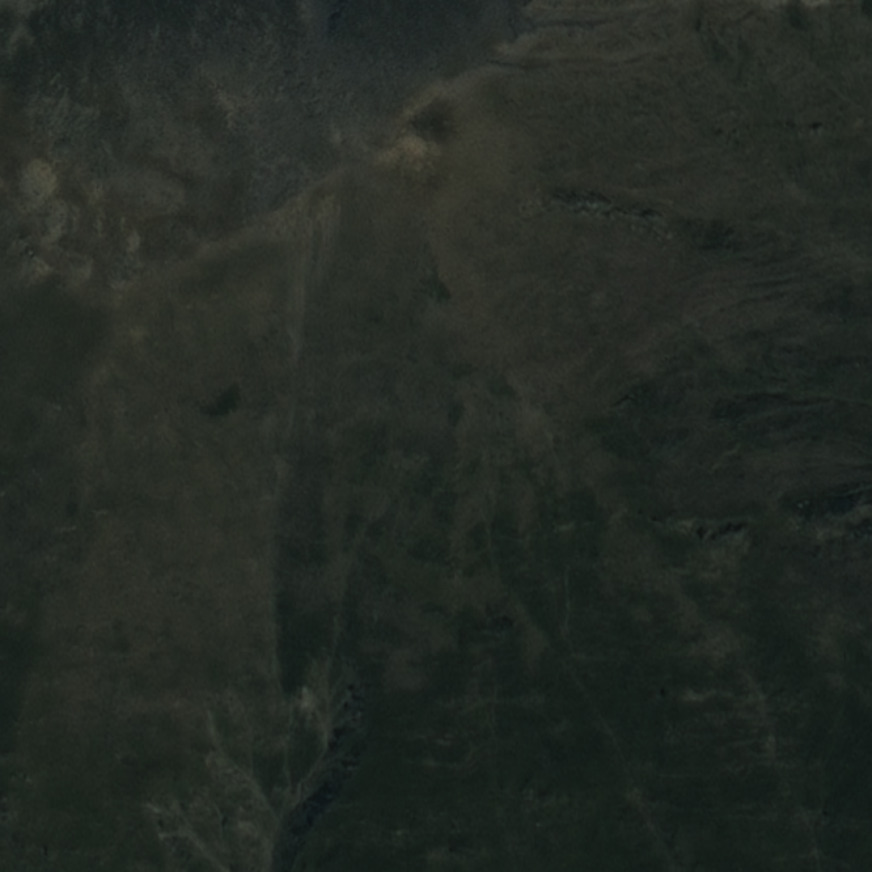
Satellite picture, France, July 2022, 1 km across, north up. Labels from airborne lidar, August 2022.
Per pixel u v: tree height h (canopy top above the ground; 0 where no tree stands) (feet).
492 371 0
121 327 0
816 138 0
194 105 0
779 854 0
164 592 0
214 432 0
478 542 0
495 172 0
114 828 0
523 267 0
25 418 0
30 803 0
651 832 0
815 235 0
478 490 0
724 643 0
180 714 0
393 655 0
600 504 0
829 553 0
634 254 0
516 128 0
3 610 23
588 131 0
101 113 0
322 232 0
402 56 0
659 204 0
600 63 0
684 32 0
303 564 0
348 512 0
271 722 0
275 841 0
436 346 0
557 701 0
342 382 0
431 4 0
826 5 0
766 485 0
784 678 0
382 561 0
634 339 0
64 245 0
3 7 0
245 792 0
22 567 0
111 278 0
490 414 0
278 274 0
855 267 0
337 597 0
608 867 0
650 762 0
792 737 0
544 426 0
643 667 0
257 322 0
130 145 0
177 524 0
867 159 0
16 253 0
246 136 0
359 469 0
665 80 0
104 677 0
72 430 0
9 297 0
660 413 0
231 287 0
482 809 0
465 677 0
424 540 0
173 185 0
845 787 0
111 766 0
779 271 0
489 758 0
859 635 0
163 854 0
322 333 0
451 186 0
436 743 0
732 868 0
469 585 0
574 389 0
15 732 0
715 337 0
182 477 0
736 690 0
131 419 0
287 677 0
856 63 0
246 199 0
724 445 0
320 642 0
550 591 0
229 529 0
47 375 0
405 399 0
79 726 0
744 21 0
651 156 0
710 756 0
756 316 0
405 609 0
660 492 0
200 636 0
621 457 0
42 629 0
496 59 0
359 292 0
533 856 0
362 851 0
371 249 0
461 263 0
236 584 0
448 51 0
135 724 0
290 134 0
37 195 0
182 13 0
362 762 0
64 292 0
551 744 0
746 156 0
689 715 0
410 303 0
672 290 0
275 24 0
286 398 0
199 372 0
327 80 0
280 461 0
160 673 0
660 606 0
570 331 0
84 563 0
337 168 0
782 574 0
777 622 0
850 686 0
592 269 0
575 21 0
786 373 0
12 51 0
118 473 0
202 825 0
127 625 0
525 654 0
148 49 0
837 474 0
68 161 0
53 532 0
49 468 0
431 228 0
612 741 0
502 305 0
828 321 0
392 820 0
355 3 0
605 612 0
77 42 0
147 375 0
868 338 0
